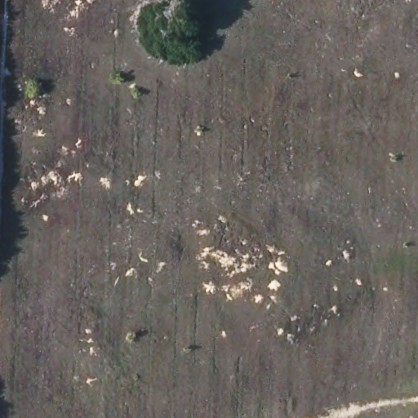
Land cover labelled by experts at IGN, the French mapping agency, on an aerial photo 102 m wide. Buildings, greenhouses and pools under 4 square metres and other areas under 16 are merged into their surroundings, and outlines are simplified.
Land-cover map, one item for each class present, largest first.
<instances>
[{"label":"herbaceous vegetation","instance_id":"1","mask_svg":"<svg viewBox=\"0 0 418 418\"><path fill-rule=\"evenodd\" d=\"M137 2H139V0H0V418H331L330 410H341L348 408L349 405H364L390 398L418 397V0H180L189 23L196 28V33L191 36L181 34L180 42L185 46L194 44L198 52L196 59L199 62L171 65L167 60L150 56L140 42L139 31H137V33H131L132 24L131 21H129V16L132 15V11H134V7H136ZM20 165H33L34 175L38 178L47 175L49 171H54L60 178L69 176L70 173L82 175L80 180H77L75 193L67 191L64 198H52L47 202L44 216L49 219L42 220L41 217L29 232H26L21 224V212L16 209L13 202V189L20 181ZM207 247L225 251L227 255L232 256V265L222 266L216 258L206 256L209 268L199 266L196 256ZM268 247L284 251L281 261L287 266V271L279 274L269 269L271 261H278V253H269ZM240 282H251L250 289L243 291L233 300L225 299L222 286H238ZM362 418H418V403L382 407L377 411V415L372 410L367 411Z\"/></svg>","mask_w":418,"mask_h":418},{"label":"bare soil","instance_id":"2","mask_svg":"<svg viewBox=\"0 0 418 418\"><path fill-rule=\"evenodd\" d=\"M147 5H149V2H147V0H139V2H137L136 7H134V11H132V15L129 16V21H131L132 24L131 33H137V31H139V23H137V20H139L140 11H142V8L147 7ZM82 175L70 173L69 176L60 178L54 171H49L47 175L38 178L34 175L33 165H20V181L13 189V202L16 209L21 212V224L26 232H29L41 217L42 220L49 219L44 216L47 202L52 198H64L67 191L75 193L77 180H80ZM206 256L216 258L222 266L232 265V256L227 255L225 251L207 247L196 256L199 266L209 268ZM269 253H278V261H271L269 269L279 274L287 271V266L281 261L284 251L268 247ZM225 299L233 300L243 291L250 289L251 282H240L238 286H222Z\"/></svg>","mask_w":418,"mask_h":418},{"label":"deciduous trees","instance_id":"3","mask_svg":"<svg viewBox=\"0 0 418 418\"><path fill-rule=\"evenodd\" d=\"M147 2H149V5H147V7L142 8V11H140L139 20H137V23H139V31L140 42L150 56L167 60L171 65L199 62L196 59L198 52L194 44L185 46L180 42L181 34L191 36L196 33V28L189 23L180 0H147Z\"/></svg>","mask_w":418,"mask_h":418},{"label":"pervious surface","instance_id":"4","mask_svg":"<svg viewBox=\"0 0 418 418\"><path fill-rule=\"evenodd\" d=\"M418 403V397L390 398L364 405H349L348 408L341 410H330L331 418H362L367 411L372 410L377 415V411L382 407Z\"/></svg>","mask_w":418,"mask_h":418}]
</instances>
